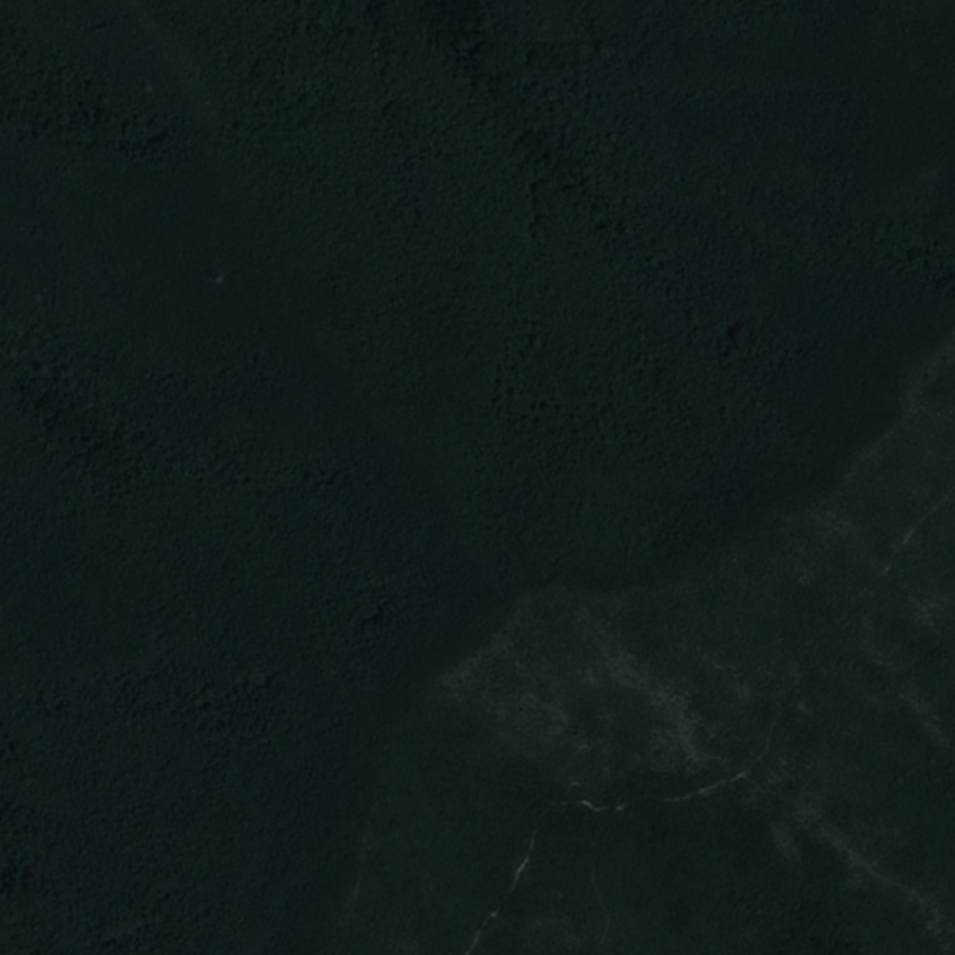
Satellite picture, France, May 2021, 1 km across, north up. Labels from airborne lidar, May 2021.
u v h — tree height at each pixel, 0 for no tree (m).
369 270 7
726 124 9
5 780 10
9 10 9
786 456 7
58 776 7
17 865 12
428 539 7
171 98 7
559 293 8
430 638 6
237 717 10
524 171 15
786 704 6
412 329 6
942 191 7
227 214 6
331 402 7
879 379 6
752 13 9
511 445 7
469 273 7
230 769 8
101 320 8
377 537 8
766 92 9
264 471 9
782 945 9
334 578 9
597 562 6
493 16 14
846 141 9
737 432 8
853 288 6
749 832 6
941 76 7
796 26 7
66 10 9
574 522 8
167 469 7
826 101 9
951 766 9
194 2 9
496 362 6
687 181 10
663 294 8
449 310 9
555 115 12
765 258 8
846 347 6
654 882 6
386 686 7
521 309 9
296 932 7
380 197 10
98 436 15
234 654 8
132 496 9
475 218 7
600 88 7
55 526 7
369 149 12
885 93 6
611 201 14
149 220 5
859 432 7
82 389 12
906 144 6
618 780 6
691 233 9
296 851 10
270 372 8
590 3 8
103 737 9
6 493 7
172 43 7
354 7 11
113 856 9
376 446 9
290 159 10
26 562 10
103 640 7
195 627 8
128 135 13
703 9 6
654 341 8
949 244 7
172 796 7
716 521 8
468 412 6
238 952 7
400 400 6
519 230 7
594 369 8
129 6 7
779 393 8
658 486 7
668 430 7
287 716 9
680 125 10
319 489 10
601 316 9
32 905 8
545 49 15
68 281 7
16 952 8
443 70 8
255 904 7
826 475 6
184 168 6
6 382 10
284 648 10
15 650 9
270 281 6
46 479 8
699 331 12
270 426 7
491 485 6
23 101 15
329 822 6
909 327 6
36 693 8
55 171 8
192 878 8
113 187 7
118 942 15
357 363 8
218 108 8
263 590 7
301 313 6
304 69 10
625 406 6
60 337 8
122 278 8
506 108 18
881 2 7
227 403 8
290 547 8
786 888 5
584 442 6
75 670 8
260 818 6
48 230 9
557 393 8
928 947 5
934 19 6
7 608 8
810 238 8
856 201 7
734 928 8
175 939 8
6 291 8
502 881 5
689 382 7
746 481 9
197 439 10
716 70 8
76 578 9
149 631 6
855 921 9
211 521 9
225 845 10
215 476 8
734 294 8
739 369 8
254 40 8
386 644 8
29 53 15
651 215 9
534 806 6
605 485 6
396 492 10
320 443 6
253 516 7
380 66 10
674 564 6
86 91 9
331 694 6
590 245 7
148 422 8
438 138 9
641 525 7
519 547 7
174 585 8
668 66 8
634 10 8
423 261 7
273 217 8
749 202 10
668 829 6
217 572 8
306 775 8
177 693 7
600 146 15
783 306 6
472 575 8
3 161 8
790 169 7
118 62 10
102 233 6
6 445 10
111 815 7
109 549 9
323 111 9
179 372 10
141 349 8
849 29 7
